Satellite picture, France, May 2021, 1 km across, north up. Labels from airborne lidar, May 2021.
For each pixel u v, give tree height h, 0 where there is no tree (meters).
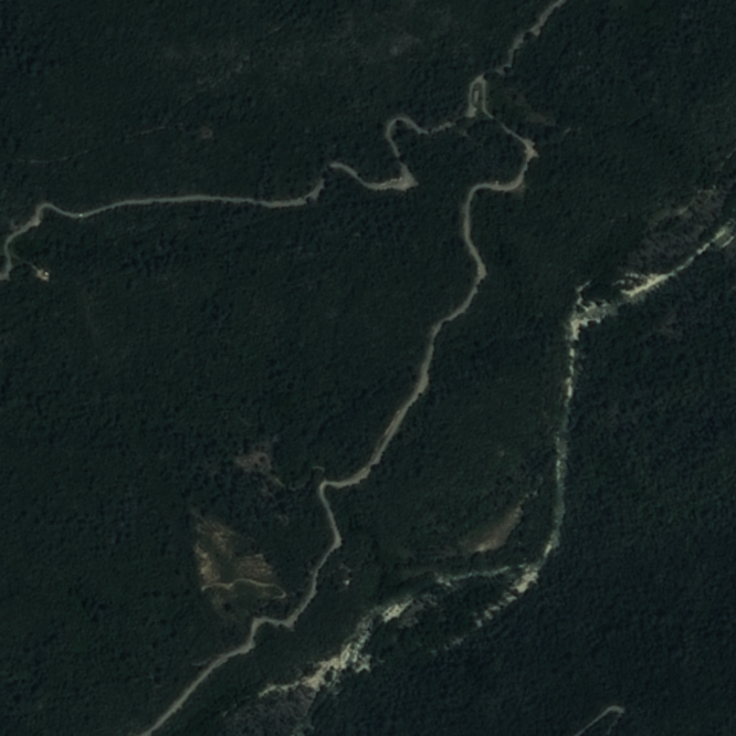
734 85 14
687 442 20
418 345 10
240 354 7
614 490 11
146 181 9
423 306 12
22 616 9
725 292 8
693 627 11
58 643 28
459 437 10
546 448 10
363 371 13
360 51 10
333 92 10
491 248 10
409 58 6
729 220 10
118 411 14
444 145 9
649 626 21
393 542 16
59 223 10
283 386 20
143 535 12
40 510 7
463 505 7
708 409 12
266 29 6
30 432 14
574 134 9
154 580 7
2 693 21
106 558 16
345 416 15
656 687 15
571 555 10
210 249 13
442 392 9
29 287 12
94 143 11
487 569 12
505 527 0
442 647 12
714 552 12
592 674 11
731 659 14
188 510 13
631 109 15
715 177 8
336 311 7
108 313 12
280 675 9
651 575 14
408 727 7
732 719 14
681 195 19
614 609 13
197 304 11
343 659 0
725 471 13
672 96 15
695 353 13
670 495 14
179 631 7
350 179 7
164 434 17
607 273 14
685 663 20
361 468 22
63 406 14
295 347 13
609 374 19
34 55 10
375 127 14
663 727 11
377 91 17
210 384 12
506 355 15
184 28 8
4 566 8
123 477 14
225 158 10
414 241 17
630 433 26
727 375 14
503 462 14
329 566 15
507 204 9
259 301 6
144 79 10
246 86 9
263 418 17
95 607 26
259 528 9
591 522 12
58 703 12
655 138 22
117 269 7
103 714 10
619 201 14
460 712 14
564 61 13
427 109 22
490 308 14
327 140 7
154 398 14
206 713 14
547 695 11
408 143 7
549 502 12
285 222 10
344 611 10
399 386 14
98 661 14
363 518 18
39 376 15
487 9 9
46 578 14
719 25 15
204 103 14
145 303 7
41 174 12
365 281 8
